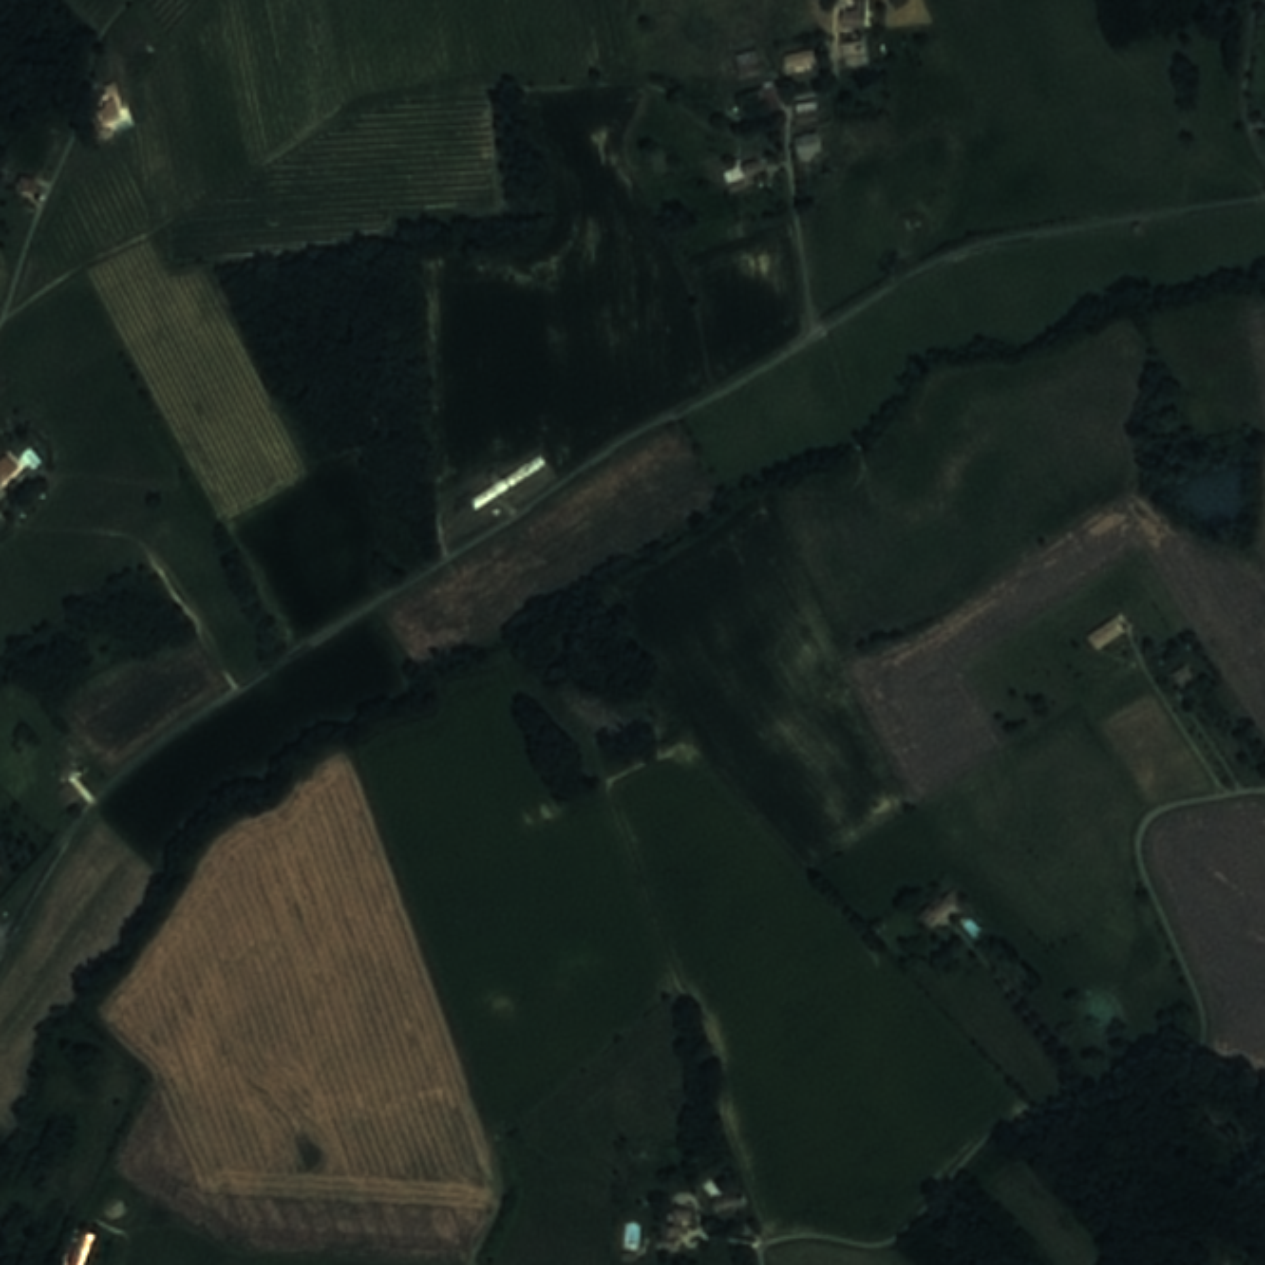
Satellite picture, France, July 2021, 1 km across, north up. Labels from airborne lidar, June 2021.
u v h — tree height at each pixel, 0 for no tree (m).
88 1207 0
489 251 18
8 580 0
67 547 0
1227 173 0
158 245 0
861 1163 0
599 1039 0
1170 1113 27
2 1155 15
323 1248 0
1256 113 5
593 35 0
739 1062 0
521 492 0
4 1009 0
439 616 0
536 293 0
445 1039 0
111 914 0
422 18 0
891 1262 0
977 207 0
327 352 25
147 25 0
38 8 18
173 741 0
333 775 0
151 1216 0
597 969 0
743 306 0
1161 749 0
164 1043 0
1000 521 0
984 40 0
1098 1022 6
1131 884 0
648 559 7
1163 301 16
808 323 0
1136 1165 20
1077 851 0
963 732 0
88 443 0
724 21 0
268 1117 0
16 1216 11
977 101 0
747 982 0
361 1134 0
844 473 0
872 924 9
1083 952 0
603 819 0
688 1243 0
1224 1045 0
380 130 0
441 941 0
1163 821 0
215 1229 0
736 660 0
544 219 10
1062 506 0
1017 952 18
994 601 0
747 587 0
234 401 0
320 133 0
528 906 0
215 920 0
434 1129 0
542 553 0
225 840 0
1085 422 0
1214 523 9
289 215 0
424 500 16
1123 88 0
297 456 0
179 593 0
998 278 0
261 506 0
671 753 0
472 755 0
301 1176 0
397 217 0
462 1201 0
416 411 22
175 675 0
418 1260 0
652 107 0
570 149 0
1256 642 0
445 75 0
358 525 0
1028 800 0
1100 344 0
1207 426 0
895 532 0
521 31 0
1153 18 16
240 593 12
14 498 12
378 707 14
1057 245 0
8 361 0
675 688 0
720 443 0
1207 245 0
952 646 0
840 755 0
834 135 0
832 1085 0
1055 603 0
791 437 0
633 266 0
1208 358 0
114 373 0
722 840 0
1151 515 0
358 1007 0
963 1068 0
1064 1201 7
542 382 0
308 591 0
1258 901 0
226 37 0
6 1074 0
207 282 0
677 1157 0
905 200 0
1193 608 0
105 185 0
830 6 11
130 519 0
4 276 0
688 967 0
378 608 0
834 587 0
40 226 0
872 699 0
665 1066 0
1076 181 0
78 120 14
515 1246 0
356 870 0
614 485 0
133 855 0
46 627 11
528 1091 0
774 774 0
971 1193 9
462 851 0
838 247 0
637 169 0
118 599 16
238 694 0
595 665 22
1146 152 0
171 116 0
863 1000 0
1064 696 0
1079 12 0
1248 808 0
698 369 0
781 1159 0
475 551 0
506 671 0
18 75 26
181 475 6
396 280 25
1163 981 0
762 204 0
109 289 0
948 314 0
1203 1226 20
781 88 15
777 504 0
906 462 0
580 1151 0
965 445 0
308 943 0
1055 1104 12
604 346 0
